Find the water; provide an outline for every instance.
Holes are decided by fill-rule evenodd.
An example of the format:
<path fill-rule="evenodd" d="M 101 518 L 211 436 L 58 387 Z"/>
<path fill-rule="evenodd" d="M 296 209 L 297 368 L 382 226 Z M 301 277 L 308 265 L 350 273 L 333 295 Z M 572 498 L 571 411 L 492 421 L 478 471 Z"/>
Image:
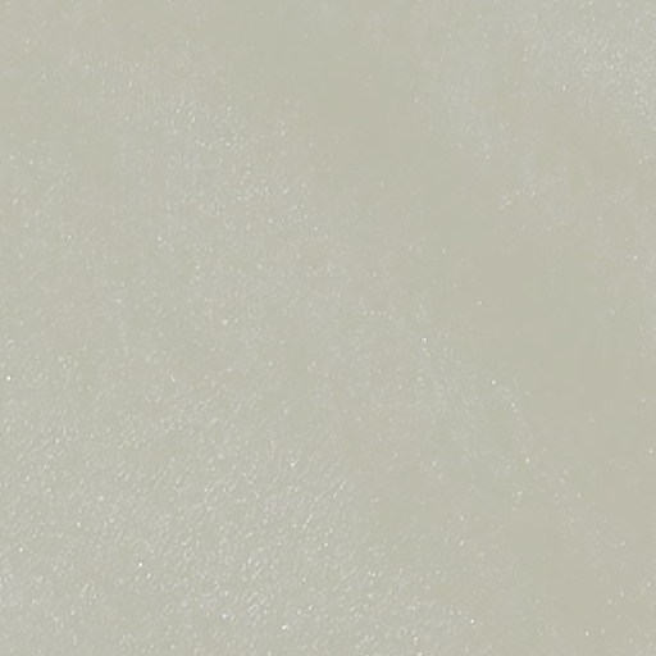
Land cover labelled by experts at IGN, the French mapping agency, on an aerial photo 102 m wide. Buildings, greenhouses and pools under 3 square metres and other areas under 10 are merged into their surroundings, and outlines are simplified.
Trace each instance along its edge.
<path fill-rule="evenodd" d="M 0 0 L 0 656 L 656 656 L 656 0 Z"/>

